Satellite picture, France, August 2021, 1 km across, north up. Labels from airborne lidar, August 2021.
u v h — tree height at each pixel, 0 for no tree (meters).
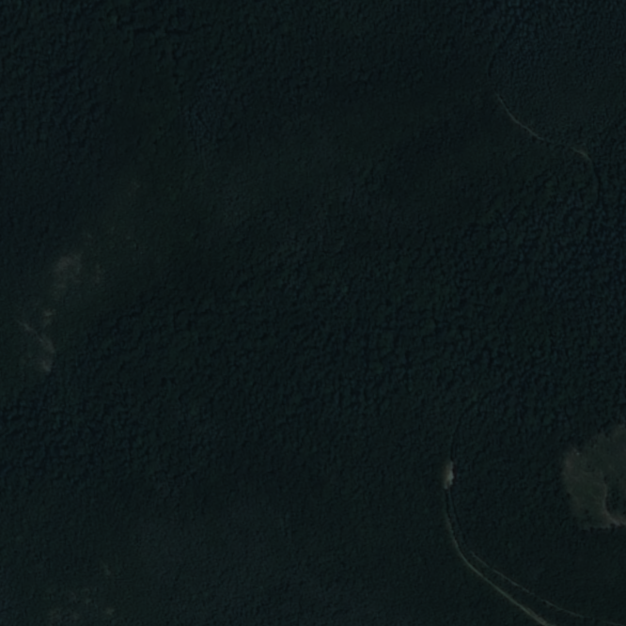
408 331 22
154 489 18
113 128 21
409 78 17
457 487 12
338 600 16
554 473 15
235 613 14
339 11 18
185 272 24
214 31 24
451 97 16
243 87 19
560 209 21
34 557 10
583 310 22
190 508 15
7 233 16
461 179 10
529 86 13
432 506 12
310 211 17
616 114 18
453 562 16
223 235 13
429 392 16
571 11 26
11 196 16
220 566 15
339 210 18
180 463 22
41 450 20
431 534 15
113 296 16
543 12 23
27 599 10
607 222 16
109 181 16
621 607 12
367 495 14
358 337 23
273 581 16
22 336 7
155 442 24
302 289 24
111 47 24
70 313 10
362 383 21
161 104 21
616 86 13
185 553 10
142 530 11
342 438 14
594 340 25
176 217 15
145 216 11
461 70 19
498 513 12
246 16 18
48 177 16
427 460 14
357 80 10
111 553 9
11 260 16
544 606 17
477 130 16
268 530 15
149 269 15
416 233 24
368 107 13
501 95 13
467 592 16
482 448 13
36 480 20
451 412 17
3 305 13
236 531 16
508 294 21
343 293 25
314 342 23
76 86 21
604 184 22
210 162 8
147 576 11
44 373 11
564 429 18
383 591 13
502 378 18
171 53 24
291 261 14
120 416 22
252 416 20
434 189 13
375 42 21
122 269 12
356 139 13
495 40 18
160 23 26
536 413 9
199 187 15
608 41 18
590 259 19
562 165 21
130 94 21
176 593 14
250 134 16
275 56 20
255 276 29
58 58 20
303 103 20
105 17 23
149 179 13
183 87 26
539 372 19
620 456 0
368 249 27
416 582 13
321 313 25
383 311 22
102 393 22
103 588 10
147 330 23
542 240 23
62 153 14
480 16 16
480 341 24
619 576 12
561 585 15
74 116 23
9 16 19
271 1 23
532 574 14
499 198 28
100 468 23
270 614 17
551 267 18
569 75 16
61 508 13
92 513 15
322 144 9
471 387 22
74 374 10
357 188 22
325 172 11
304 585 17
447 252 27
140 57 26
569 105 15
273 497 16
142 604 11
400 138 14
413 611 10
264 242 15
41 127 15
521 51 15
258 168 14
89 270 8
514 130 17
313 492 19
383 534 12
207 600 13
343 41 15
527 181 21
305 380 21
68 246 8
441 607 15
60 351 13
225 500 14
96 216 9
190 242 20
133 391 19
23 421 26
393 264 29
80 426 26
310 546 13
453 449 10
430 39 21
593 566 10
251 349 22
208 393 26
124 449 26
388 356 23
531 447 16
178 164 14
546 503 14
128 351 25
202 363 24
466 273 26
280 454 17
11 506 14
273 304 22
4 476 24
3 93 19
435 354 19
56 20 16
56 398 16
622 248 22
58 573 10
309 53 20
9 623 12
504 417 15
